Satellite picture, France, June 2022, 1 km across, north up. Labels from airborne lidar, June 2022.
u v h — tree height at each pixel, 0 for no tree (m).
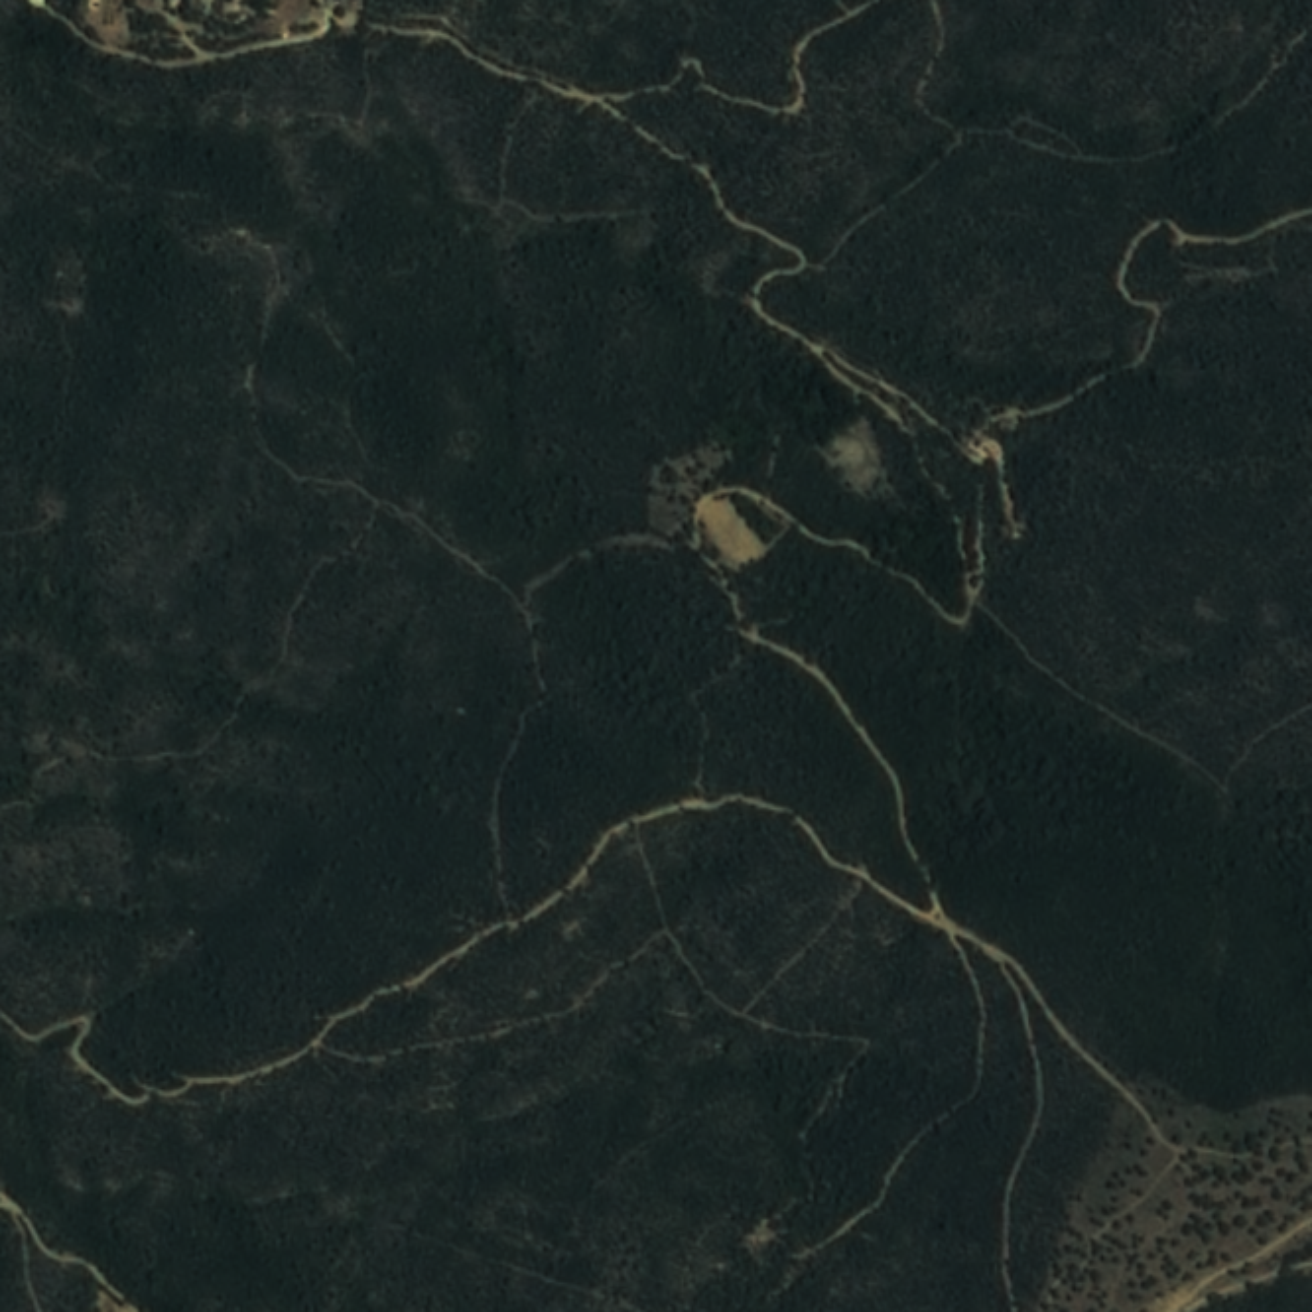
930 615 5
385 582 6
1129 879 7
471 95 6
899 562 11
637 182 7
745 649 8
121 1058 9
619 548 6
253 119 0
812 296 6
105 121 7
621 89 6
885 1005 8
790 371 11
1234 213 7
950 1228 9
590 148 6
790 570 7
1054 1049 6
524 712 6
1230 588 9
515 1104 0
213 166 7
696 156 10
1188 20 6
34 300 6
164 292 8
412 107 0
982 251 8
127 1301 6
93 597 8
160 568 0
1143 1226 0
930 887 8
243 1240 9
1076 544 5
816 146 7
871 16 7
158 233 8
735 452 10
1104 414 7
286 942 6
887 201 8
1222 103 10
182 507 7
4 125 6
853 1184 7
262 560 5
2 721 5
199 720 7
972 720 6
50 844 6
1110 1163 0
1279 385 7
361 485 5
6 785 8
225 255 0
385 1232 0
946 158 8
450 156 0
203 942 7
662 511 0
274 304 0
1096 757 5
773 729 7
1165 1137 0
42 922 8
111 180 7
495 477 7
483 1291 6
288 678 0
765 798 7
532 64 7
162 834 10
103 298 6
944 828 7
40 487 7
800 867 6
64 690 6
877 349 7
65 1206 8
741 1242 6
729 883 6
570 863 6
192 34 7
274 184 7
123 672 7
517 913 7
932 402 6
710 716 6
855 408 10
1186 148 11
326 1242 6
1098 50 5
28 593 10
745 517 8
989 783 5
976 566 8
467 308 8
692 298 6
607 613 7
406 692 6
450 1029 6
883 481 8
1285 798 12
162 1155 6
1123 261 6
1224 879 11
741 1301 8
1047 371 8
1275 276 7
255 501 6
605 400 7
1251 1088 6
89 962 7
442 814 7
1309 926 7
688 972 6
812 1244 6
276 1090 5
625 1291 5
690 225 6
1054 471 9
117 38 0
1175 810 11
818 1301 7
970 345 7
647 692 8
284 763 6
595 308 7
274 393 0
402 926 6
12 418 8
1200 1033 8
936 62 7
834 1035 6
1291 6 9
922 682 7
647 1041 9
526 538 8
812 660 9
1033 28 7
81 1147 7
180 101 8
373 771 8
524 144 6
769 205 6
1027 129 7
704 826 7
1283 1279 8
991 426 6
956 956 6
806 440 9
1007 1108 7
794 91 7
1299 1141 6
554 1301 6
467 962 7
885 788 5
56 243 7
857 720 6
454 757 7
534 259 6
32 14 7
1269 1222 7
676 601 9
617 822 7
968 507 9
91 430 7
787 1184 6
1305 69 6
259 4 8
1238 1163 6
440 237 10
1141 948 8
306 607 7
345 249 9
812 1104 7
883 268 6
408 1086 8
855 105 7
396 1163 7
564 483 9
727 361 9
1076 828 11
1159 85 7
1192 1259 7
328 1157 8
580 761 6
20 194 7
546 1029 9
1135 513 6
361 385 6
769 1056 8
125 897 7
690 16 6
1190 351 8
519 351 8
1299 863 8
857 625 6
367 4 6
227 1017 8
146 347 8
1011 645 6
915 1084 6
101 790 0
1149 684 7
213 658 6
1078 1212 0
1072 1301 6
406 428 7
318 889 6
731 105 6
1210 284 8
